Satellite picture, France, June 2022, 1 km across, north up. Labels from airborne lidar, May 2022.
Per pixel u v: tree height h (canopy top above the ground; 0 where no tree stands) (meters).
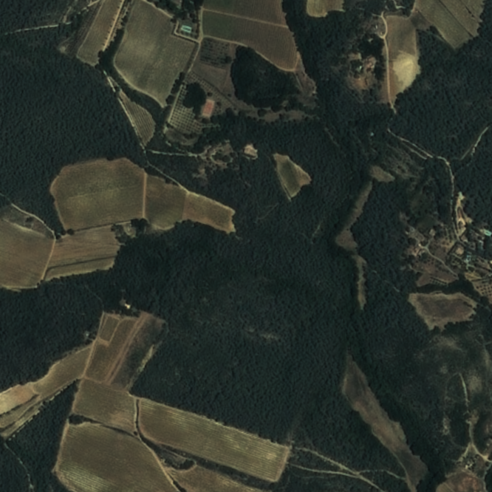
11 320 16
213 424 0
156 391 6
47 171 16
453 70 14
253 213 12
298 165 12
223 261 11
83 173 0
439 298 0
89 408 0
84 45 0
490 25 15
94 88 16
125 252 11
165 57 0
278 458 0
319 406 11
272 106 13
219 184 12
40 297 14
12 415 0
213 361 8
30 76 16
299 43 14
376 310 20
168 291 19
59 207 0
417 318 19
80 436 0
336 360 17
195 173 6
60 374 0
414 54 0
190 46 0
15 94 15
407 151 12
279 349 12
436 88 13
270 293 7
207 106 0
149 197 0
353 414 18
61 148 12
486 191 17
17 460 15
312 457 6
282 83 11
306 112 13
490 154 13
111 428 0
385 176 0
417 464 0
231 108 10
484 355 0
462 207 0
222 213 0
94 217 0
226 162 7
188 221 8
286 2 14
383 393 9
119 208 0
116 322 0
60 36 12
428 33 16
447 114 17
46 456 15
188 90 9
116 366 0
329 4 0
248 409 18
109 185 0
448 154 14
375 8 12
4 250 0
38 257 0
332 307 18
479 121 13
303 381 15
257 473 0
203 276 7
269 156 6
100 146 19
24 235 0
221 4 0
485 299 14
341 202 9
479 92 14
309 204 17
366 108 13
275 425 15
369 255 13
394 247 18
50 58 10
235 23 0
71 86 17
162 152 7
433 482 20
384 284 19
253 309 14
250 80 11
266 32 0
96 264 0
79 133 17
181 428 0
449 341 0
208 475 0
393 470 7
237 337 12
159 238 14
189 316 9
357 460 16
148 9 0
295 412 18
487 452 0
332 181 15
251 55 9
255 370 16
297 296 20
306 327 17
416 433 16
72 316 7
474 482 0
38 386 0
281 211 13
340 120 19
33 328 14
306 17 17
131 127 13
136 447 0
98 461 0
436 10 0
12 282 0
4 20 17
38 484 10
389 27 0
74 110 14
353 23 8
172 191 0
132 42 0
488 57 14
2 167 14
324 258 16
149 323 0
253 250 10
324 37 19
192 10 13
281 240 9
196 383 14
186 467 8
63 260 0
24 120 13
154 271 11
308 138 11
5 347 16
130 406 0
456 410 7
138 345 0
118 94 13
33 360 12
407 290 18
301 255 13
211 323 7
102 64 11
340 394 16
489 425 0
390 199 18
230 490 0
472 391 0
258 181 11
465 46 9
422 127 16
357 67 6
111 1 0
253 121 17
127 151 20
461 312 0
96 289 11
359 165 9
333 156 16
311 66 17
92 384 0
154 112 7
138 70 0
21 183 11
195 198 0
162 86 0
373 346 7
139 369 0
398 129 19
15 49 14
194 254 19
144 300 13
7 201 14
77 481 0
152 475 0
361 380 0
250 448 0
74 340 17
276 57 0
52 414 11
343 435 6
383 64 7
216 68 0
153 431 0
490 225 15
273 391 16
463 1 0
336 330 17
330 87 16
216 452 0
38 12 13
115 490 0
